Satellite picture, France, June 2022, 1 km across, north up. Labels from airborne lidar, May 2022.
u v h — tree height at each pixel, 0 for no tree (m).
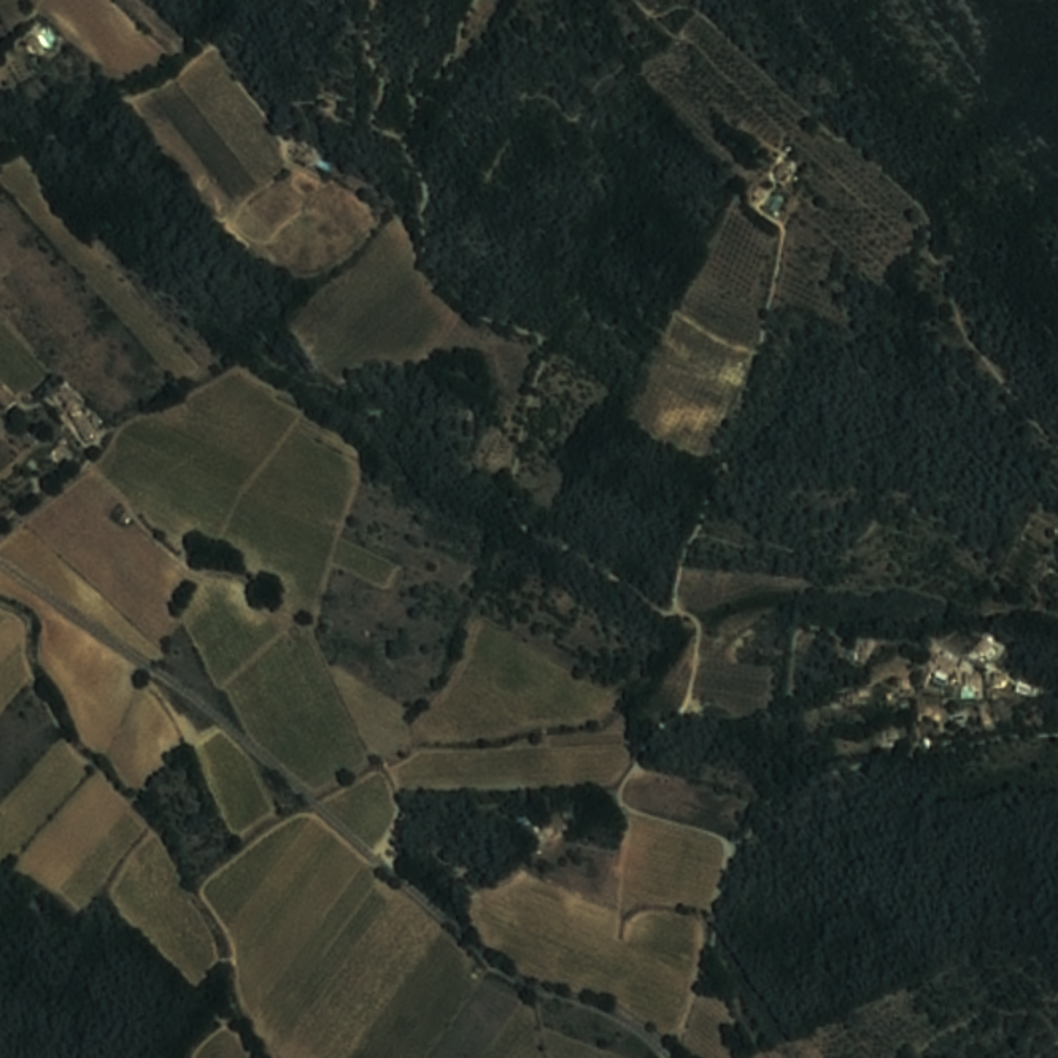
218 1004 15
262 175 0
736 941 15
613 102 6
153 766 0
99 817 0
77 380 0
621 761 0
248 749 0
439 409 18
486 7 0
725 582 0
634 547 15
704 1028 0
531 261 10
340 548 0
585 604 15
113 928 15
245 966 0
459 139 10
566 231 18
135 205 13
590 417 12
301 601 0
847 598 11
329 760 0
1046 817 17
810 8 9
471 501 19
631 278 9
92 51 0
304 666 0
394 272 0
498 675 0
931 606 10
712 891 0
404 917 0
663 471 14
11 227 0
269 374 13
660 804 0
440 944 0
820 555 14
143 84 17
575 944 0
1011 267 9
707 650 0
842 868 20
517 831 12
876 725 13
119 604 0
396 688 0
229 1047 0
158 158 13
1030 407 16
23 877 11
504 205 7
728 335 0
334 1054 0
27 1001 21
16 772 0
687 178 15
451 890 9
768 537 17
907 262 12
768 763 9
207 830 18
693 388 0
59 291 0
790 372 12
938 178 9
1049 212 7
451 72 14
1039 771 17
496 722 0
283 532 0
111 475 0
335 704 0
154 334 0
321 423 8
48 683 15
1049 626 17
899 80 9
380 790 0
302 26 9
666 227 11
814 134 11
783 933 8
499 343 0
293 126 17
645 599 12
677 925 0
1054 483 14
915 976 11
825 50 17
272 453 0
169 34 0
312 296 15
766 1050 11
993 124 6
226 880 0
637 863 0
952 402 17
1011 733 10
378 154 14
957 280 17
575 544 16
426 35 14
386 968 0
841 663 7
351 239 0
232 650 0
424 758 0
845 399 11
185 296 20
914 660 12
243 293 17
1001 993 6
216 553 10
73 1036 12
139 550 0
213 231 18
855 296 15
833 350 14
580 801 10
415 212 17
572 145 6
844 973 8
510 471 10
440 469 18
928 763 14
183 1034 15
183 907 0
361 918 0
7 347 0
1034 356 12
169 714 0
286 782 7
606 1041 8
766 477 12
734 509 16
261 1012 0
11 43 13
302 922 0
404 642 13
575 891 0
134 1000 19
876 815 17
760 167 10
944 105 6
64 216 16
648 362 17
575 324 9
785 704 10
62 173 18
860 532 20
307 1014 0
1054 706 8
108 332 0
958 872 17
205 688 0
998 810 16
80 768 0
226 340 12
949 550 6
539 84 11
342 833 0
